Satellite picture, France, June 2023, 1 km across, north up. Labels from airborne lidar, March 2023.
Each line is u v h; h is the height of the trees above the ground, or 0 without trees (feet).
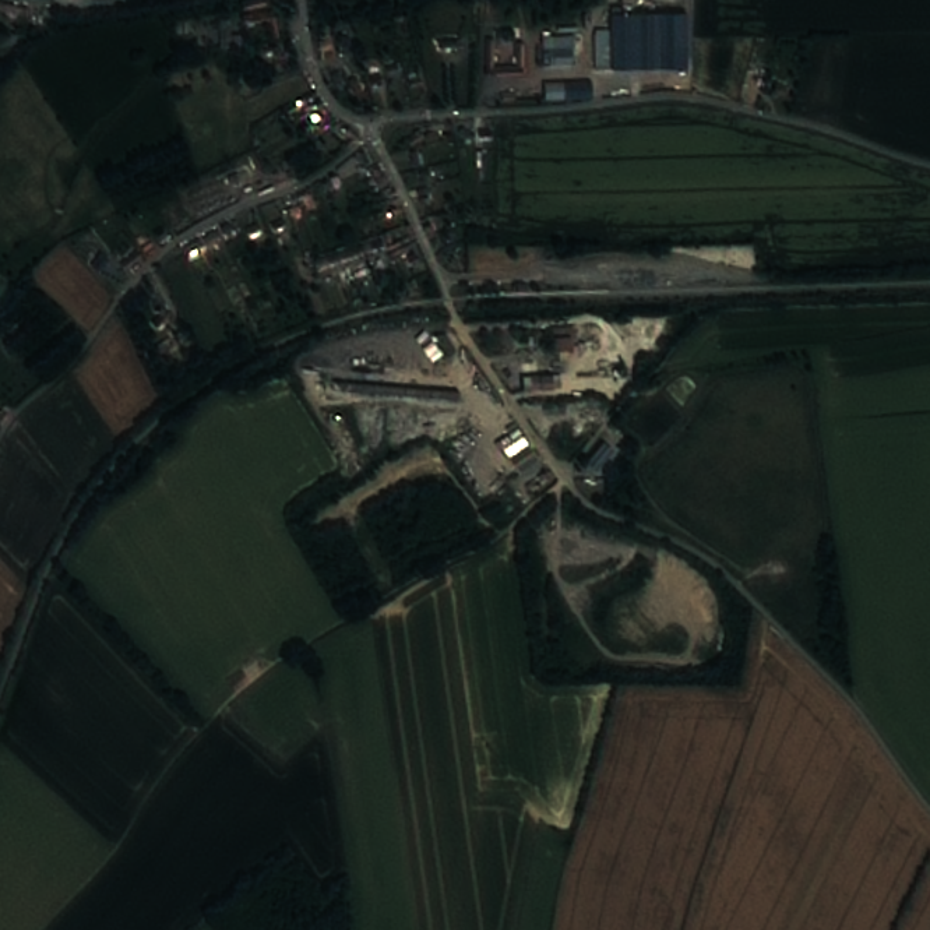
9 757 0
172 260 0
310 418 0
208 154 0
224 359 47
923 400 0
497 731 0
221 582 0
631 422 0
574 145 0
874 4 0
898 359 0
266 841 0
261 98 0
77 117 0
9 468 0
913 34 0
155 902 0
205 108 0
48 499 0
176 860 0
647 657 0
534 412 0
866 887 0
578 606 0
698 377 0
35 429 0
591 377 0
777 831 0
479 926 0
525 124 0
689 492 0
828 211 0
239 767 0
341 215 0
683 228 0
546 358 0
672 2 0
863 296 31
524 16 0
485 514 32
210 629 0
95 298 0
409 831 0
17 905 0
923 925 0
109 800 0
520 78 0
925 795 0
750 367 0
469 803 0
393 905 0
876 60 0
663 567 0
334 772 0
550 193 0
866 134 0
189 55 93
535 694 0
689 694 0
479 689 0
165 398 58
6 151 0
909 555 0
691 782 0
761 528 0
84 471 0
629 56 0
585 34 0
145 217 0
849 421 0
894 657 0
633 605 0
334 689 0
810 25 0
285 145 0
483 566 0
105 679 0
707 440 0
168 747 0
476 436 0
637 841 0
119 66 0
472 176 0
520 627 0
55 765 0
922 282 0
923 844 0
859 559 0
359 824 0
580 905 0
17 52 39
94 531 0
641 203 0
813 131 0
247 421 0
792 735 0
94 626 0
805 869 0
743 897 0
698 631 0
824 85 0
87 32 0
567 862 0
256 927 38
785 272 33
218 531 0
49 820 0
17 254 0
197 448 0
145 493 0
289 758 0
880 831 0
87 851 0
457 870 0
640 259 0
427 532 18
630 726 0
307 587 0
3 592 0
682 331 21
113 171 87
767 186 0
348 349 0
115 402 0
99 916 0
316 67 0
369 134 0
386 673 0
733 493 0
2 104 0
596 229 0
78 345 31
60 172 0
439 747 0
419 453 0
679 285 0
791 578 0
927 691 0
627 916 0
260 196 0
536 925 0
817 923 0
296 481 0
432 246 0
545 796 0
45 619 0
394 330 0
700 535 0
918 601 0
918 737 0
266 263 30
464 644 0
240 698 0
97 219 0
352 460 0
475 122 0
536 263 0
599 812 0
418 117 0
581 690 0
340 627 0
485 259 0
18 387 0
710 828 0
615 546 0
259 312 0
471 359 0
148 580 0
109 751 0
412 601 0
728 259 0
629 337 0
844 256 0
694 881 0
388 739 0
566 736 0
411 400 0
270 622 0
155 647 0
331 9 42
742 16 0
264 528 0
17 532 0
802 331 0
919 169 0
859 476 0
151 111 0
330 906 61
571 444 0
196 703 0
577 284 0
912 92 0
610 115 0
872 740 0
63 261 0
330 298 0
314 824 0
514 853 0
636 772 0
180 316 21
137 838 0
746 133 0
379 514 44
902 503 0
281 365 27
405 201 0
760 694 0
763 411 0
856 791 0
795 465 0
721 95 0
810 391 0
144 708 0
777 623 0
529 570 21
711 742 0
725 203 0
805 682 0
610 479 50
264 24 38
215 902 55
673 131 0
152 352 45
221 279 0
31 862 0
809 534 0
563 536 0
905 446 0
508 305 31
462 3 28
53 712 0
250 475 0
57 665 0
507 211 0
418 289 0
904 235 0
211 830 0
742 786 0
